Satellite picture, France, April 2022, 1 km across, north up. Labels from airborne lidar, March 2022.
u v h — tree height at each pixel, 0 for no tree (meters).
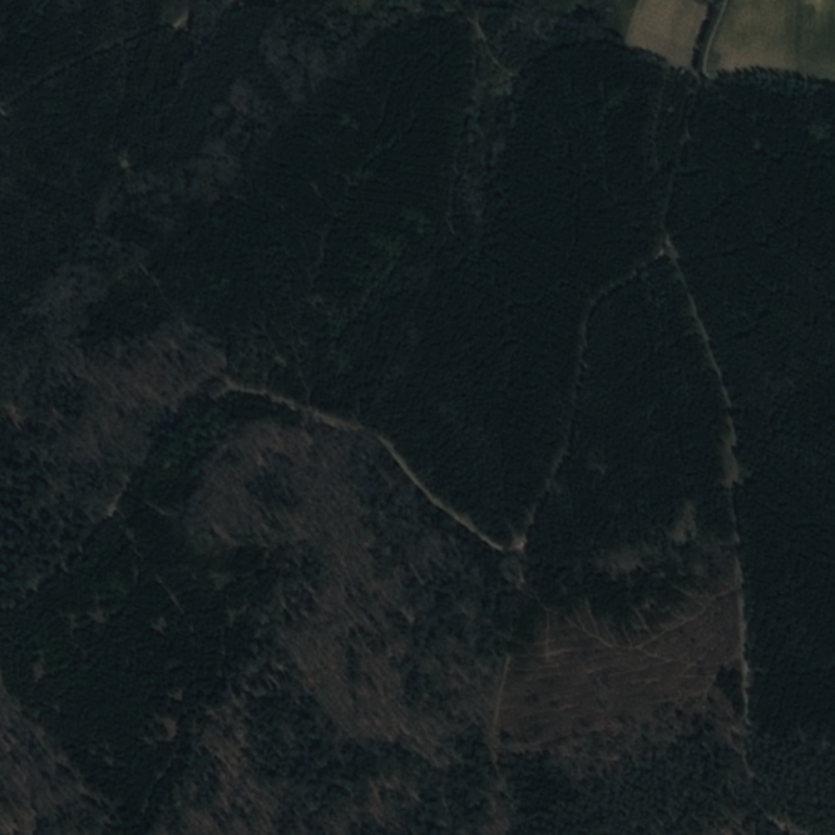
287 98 21
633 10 0
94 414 27
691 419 18
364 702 28
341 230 11
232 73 21
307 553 28
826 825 28
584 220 19
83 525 30
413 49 11
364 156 14
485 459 22
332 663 27
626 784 29
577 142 17
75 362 27
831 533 17
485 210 14
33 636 11
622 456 16
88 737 9
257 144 14
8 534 12
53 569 17
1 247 18
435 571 25
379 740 26
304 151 12
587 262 18
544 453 19
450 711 33
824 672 14
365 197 14
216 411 29
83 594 13
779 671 18
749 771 24
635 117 19
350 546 28
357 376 16
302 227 10
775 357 18
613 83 21
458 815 26
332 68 17
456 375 20
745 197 15
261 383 15
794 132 16
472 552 35
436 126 16
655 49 0
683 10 0
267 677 15
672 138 11
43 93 17
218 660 12
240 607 6
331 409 16
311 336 10
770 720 17
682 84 9
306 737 33
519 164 16
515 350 17
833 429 21
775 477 20
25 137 19
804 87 18
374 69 13
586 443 17
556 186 17
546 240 16
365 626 28
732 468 0
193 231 11
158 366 26
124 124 16
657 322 21
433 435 24
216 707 13
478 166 10
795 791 27
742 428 20
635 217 19
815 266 18
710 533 19
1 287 17
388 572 30
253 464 24
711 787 25
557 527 20
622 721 6
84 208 19
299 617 34
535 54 28
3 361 27
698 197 17
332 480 27
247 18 22
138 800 12
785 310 15
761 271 14
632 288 20
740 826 29
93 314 14
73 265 24
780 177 17
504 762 25
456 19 9
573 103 16
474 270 22
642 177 23
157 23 21
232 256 10
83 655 7
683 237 14
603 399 18
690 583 8
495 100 6
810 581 17
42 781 30
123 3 15
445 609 25
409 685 21
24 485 25
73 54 15
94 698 10
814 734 18
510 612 20
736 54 0
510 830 26
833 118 18
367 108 12
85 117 21
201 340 24
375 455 28
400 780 21
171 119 24
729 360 20
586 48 12
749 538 20
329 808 33
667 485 18
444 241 15
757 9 0
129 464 26
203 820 25
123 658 9
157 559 9
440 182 19
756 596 18
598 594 15
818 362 17
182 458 8
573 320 15
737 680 17
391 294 11
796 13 0
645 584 14
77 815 28
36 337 24
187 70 21
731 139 15
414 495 29
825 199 14
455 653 29
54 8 16
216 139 18
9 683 8
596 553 18
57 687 9
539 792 19
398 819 25
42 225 19
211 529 25
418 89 13
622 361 21
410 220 15
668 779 24
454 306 21
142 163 25
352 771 24
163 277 10
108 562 17
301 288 14
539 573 17
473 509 20
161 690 10
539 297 17
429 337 20
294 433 25
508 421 20
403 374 21
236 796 25
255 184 10
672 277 19
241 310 9
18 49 11
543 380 18
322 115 13
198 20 23
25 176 16
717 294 18
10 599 14
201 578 7
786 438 20
